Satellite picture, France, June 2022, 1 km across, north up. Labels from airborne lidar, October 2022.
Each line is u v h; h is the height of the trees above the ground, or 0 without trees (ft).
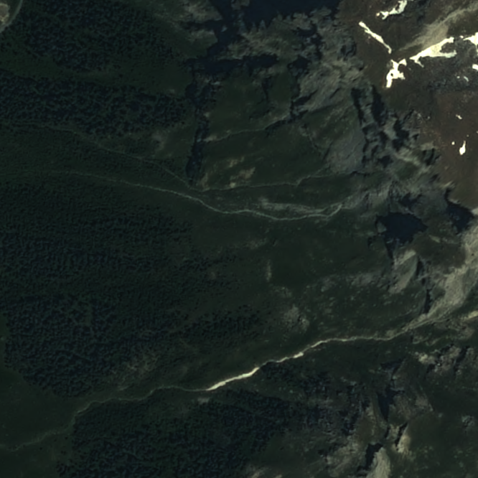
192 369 17
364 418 0
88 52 26
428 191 0
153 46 50
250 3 0
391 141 0
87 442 41
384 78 0
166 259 29
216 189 0
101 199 27
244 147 0
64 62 37
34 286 34
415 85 0
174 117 37
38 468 0
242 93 0
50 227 23
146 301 23
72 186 25
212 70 34
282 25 0
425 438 0
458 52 0
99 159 17
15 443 0
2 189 23
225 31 0
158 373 26
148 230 30
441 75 0
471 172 0
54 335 101
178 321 30
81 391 27
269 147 0
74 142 25
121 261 53
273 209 0
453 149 0
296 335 0
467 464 0
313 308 0
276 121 0
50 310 76
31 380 42
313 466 0
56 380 74
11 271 72
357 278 0
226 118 0
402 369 0
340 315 0
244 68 0
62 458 0
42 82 24
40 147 20
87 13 30
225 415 27
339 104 0
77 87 32
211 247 0
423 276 0
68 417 0
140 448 77
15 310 78
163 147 0
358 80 0
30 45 45
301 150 0
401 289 0
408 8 0
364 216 0
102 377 57
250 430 44
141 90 20
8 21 0
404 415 0
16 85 89
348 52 0
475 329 0
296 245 0
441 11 0
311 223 0
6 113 58
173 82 0
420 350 0
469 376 0
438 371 0
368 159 0
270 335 0
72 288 29
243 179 0
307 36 35
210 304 0
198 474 50
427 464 0
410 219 0
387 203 0
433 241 0
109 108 39
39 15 24
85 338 95
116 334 19
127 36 27
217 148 0
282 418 36
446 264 0
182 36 0
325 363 0
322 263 0
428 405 0
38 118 62
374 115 0
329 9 0
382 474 0
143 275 25
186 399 0
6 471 0
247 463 36
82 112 52
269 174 0
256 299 0
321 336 0
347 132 0
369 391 0
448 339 0
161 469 26
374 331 0
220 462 41
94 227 68
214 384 0
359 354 0
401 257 0
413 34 0
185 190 0
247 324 27
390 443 0
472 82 0
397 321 0
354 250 0
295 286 0
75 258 70
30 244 83
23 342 35
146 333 19
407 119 0
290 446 0
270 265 0
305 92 0
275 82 0
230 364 0
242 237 0
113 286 21
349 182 0
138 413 19
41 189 29
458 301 0
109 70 22
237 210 0
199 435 24
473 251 0
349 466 0
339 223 0
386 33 0
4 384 0
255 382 0
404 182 0
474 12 0
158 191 0
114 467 86
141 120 22
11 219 35
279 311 0
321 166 0
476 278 0
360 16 0
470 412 0
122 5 20
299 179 0
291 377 26
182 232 30
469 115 0
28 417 0
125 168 19
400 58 0
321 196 0
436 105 0
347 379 0
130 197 0
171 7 0
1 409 0
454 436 0
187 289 21
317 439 0
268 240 0
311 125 0
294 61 0
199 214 0
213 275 0
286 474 0
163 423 27
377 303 0
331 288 0
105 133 66
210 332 30
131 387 19
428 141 0
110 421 28
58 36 92
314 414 25
